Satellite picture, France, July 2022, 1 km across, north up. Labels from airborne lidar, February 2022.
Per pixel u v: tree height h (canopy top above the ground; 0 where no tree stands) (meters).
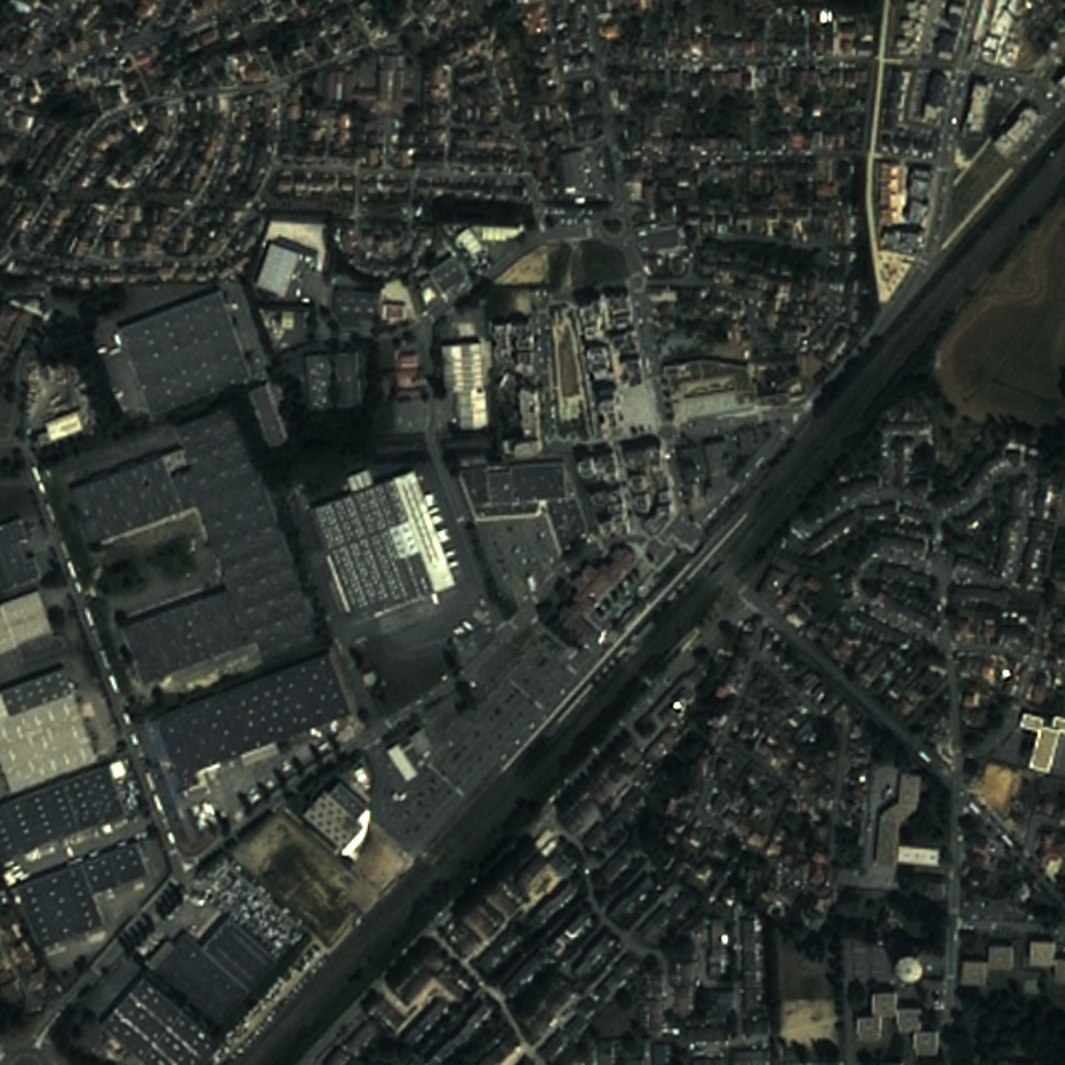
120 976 0
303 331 0
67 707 0
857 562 10
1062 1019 19
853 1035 0
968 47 0
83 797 0
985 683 0
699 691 10
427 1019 0
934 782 17
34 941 14
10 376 0
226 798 0
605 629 0
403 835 0
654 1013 0
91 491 0
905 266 0
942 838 12
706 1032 0
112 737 0
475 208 8
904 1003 0
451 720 0
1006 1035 21
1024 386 0
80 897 0
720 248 6
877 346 11
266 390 0
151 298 0
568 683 0
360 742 0
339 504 0
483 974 10
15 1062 0
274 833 0
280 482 10
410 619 0
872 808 0
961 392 0
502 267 0
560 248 0
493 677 0
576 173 0
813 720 7
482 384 0
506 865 12
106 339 0
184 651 0
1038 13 0
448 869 0
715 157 0
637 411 0
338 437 5
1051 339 0
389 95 0
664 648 0
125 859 0
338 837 0
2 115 0
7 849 0
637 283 0
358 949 0
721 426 0
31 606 0
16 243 8
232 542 0
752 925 0
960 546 12
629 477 0
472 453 0
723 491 0
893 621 0
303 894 0
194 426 0
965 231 0
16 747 0
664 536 0
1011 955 0
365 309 0
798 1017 0
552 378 0
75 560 0
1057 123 0
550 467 0
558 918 8
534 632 0
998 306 0
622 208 0
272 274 0
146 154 8
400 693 0
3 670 0
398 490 0
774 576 0
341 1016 0
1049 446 11
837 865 8
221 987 0
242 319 0
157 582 0
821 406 11
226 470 0
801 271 8
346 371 0
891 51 0
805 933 15
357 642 0
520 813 16
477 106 8
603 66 0
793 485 0
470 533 6
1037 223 10
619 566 0
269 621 0
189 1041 0
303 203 0
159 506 0
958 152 0
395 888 0
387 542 0
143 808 10
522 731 0
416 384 0
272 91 0
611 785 0
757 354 7
